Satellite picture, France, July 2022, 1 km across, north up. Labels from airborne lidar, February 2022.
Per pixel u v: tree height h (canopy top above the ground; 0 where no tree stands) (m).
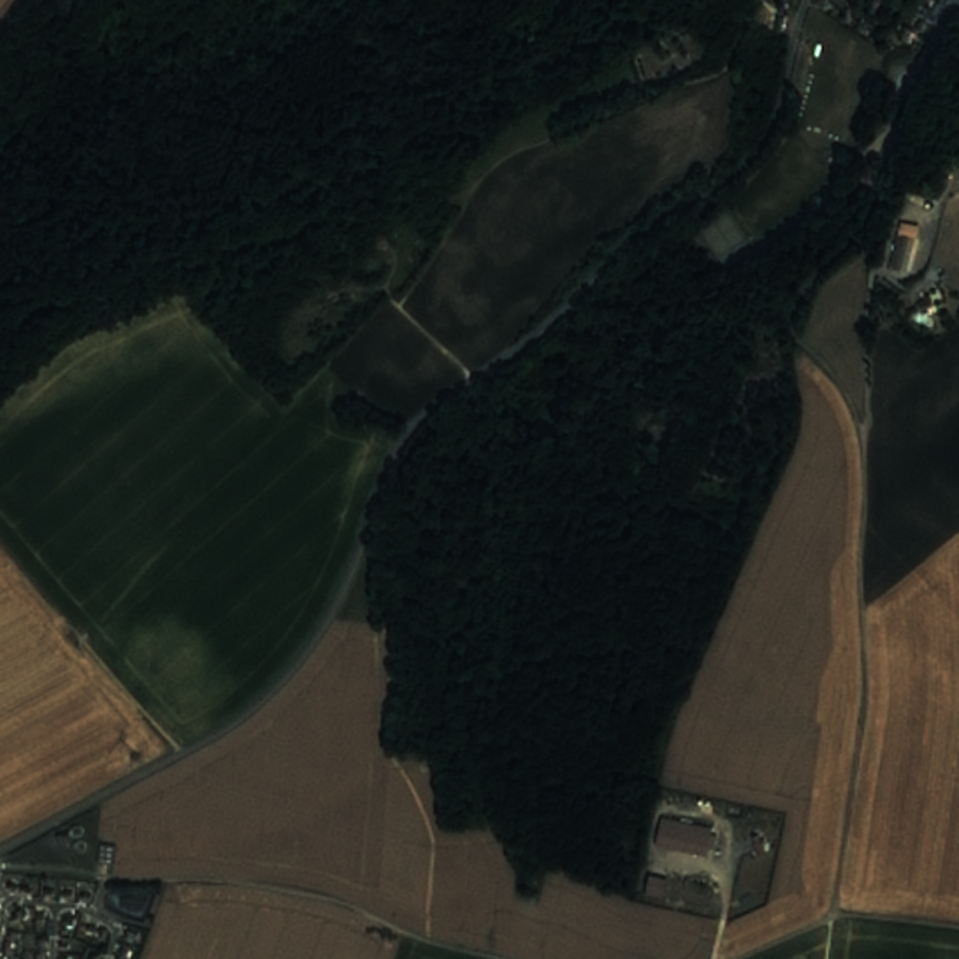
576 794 26
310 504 0
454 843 0
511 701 24
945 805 0
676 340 23
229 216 18
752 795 0
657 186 0
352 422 22
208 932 0
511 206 0
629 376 18
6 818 0
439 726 27
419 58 31
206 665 0
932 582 0
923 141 17
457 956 0
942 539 0
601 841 26
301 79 28
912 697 0
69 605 0
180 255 11
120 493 0
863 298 0
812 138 0
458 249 0
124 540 0
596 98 13
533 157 0
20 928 0
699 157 0
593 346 30
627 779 24
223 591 0
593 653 7
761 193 0
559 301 7
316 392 0
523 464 17
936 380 0
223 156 33
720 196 21
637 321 28
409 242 0
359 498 0
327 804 0
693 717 0
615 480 20
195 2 19
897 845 0
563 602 25
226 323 10
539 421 0
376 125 28
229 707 0
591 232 0
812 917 0
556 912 0
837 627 0
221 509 0
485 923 0
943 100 22
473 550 22
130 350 0
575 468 18
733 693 0
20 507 0
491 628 13
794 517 0
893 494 0
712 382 21
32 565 0
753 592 0
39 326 21
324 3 19
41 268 21
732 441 14
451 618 26
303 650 0
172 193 28
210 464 0
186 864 0
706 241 0
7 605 0
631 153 0
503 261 0
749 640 0
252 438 0
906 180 20
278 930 0
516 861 13
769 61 9
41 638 0
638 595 28
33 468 0
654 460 16
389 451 0
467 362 0
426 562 27
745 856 0
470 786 25
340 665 0
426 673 26
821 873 0
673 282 24
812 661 0
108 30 8
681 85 15
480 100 29
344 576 0
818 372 0
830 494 0
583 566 29
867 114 20
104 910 0
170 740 0
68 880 0
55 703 0
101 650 0
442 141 31
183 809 0
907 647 0
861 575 0
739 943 0
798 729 0
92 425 0
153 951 0
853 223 20
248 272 23
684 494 26
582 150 0
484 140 22
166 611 0
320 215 8
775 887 0
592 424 19
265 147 26
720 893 0
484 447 31
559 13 24
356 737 0
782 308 17
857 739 0
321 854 0
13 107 28
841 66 0
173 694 0
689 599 23
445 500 24
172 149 26
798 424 8
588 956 0
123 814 0
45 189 21
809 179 0
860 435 0
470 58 28
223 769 0
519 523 14
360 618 0
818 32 0
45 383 0
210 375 0
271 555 0
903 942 0
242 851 0
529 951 0
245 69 26
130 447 0
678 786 0
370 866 0
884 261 9
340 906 0
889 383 0
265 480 0
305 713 0
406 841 0
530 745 24
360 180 30
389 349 0
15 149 23
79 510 0
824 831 0
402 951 0
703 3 14
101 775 0
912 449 0
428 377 0
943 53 23
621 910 0
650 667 27
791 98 17
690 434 25
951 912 0
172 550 0
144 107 30
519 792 26
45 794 0
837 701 0
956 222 0
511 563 18
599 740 26
